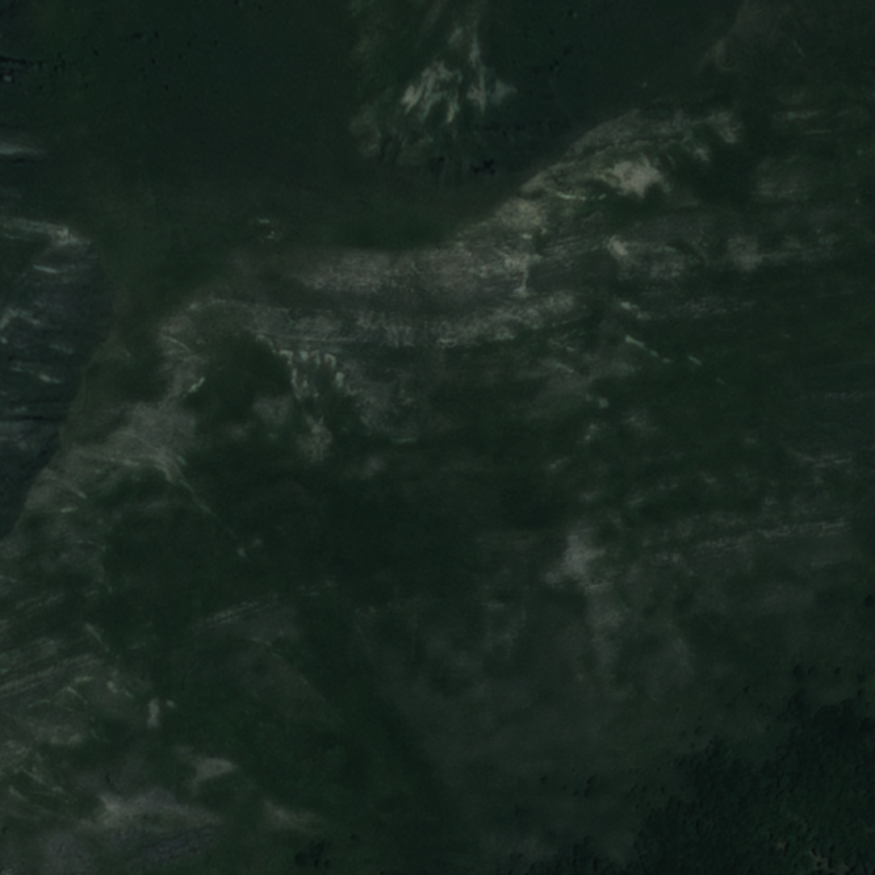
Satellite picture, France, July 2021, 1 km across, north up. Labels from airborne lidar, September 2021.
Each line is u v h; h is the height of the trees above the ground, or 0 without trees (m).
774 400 0
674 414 0
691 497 0
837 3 0
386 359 0
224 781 0
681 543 0
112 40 0
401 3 0
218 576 0
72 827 0
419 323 0
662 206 0
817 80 0
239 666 0
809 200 0
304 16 0
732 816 13
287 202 0
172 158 0
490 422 0
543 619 0
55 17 0
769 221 0
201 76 0
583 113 0
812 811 14
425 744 0
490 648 0
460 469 0
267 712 0
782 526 0
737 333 0
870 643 0
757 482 0
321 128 0
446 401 0
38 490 0
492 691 0
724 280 0
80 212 0
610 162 0
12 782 0
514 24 0
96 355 0
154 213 0
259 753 0
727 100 0
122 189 0
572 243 0
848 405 0
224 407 0
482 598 0
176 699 0
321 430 0
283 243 0
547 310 0
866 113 0
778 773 11
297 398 0
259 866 0
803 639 0
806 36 0
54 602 0
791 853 19
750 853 13
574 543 0
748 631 0
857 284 0
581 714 0
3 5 0
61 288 0
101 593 0
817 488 0
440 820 0
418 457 0
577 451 0
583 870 18
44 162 0
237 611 0
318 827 0
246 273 0
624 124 0
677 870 16
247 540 0
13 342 0
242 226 0
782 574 0
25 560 0
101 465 0
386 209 0
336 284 0
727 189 0
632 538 0
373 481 0
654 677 0
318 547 0
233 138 0
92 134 0
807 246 0
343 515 0
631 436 0
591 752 0
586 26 0
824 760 16
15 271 0
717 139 0
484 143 0
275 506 0
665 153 0
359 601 0
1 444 0
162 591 0
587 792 7
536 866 10
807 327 0
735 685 0
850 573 0
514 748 0
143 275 0
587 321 0
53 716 0
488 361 0
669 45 0
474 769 0
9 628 0
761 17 0
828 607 0
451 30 0
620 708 0
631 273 0
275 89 0
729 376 0
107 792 0
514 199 0
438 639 0
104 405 0
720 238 0
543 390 0
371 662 0
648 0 0
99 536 0
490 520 0
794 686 0
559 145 0
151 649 0
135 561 0
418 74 0
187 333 0
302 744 0
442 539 0
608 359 0
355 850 0
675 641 0
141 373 0
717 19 0
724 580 0
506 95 0
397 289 0
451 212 0
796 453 0
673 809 12
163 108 0
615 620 0
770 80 0
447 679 0
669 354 0
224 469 0
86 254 0
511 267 0
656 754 0
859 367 0
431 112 0
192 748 0
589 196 0
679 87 0
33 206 0
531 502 0
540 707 0
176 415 0
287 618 0
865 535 0
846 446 0
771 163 0
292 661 0
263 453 0
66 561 0
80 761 0
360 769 0
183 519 0
